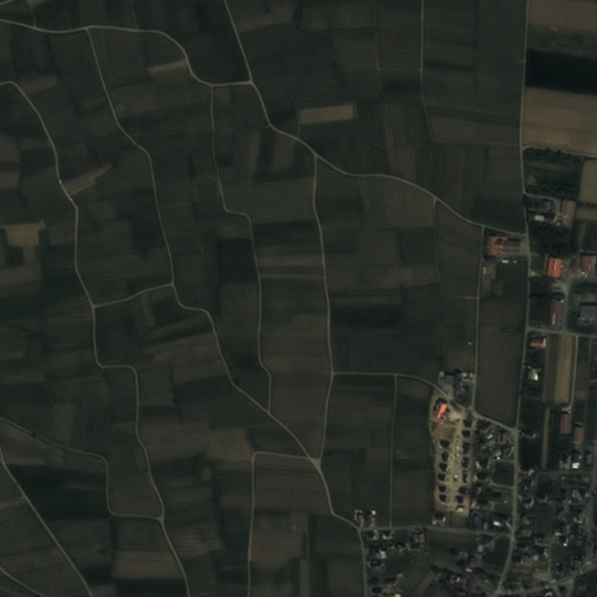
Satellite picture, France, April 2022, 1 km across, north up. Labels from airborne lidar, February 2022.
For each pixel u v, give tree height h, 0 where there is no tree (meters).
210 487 0
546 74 0
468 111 0
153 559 0
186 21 0
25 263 0
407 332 0
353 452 0
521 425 0
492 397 0
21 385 0
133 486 0
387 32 0
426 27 0
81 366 0
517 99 0
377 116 0
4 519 0
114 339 0
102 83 0
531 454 0
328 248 0
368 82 0
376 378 0
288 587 0
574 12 0
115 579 0
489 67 0
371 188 0
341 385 0
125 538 0
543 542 6
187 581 0
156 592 0
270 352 0
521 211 0
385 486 0
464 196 0
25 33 0
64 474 0
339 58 0
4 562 0
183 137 0
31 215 0
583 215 0
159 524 0
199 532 0
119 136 0
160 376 0
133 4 0
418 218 0
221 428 0
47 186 0
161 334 0
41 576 0
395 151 0
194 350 0
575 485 9
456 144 0
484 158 0
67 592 0
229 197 0
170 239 0
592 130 0
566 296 0
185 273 0
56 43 0
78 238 0
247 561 0
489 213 0
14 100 0
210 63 0
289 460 0
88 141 0
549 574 0
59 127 0
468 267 0
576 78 0
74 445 0
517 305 0
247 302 0
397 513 0
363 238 0
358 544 0
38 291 0
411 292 0
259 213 0
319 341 0
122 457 0
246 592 0
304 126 0
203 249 0
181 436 0
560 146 0
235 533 0
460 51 0
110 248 0
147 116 0
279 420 0
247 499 0
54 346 0
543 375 6
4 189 0
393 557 0
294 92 0
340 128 0
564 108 0
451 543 0
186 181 0
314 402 0
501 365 0
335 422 0
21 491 0
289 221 0
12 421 0
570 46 0
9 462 0
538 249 0
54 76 0
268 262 0
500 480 0
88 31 0
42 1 0
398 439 0
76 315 0
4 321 0
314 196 0
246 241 0
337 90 0
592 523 0
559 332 0
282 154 0
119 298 0
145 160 0
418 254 0
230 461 0
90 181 0
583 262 0
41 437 0
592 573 0
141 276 0
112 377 0
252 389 0
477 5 0
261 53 0
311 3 0
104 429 0
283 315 0
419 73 0
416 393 0
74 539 0
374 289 0
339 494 0
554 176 0
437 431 0
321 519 0
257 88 0
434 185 0
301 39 0
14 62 0
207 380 0
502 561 0
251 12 0
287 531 0
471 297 0
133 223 0
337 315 0
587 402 0
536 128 0
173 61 0
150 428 0
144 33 0
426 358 0
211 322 0
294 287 0
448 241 0
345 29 0
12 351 0
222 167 0
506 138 0
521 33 0
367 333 0
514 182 0
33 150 0
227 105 0
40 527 0
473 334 0
